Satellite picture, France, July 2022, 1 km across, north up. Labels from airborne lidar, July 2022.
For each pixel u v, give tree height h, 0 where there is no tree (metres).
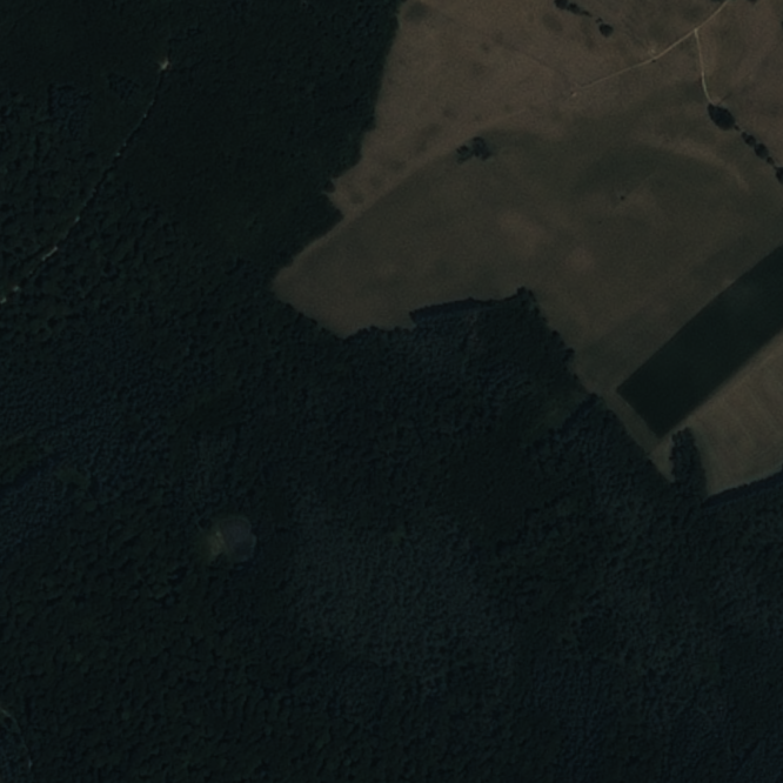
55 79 11
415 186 0
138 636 32
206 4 18
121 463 29
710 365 0
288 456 20
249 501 18
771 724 19
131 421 27
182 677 14
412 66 0
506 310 11
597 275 0
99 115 11
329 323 0
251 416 17
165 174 10
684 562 12
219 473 7
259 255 13
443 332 30
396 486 21
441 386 17
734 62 0
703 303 0
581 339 0
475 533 10
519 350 12
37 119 24
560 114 0
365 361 22
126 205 19
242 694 31
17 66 11
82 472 26
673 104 0
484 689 22
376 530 13
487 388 28
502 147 0
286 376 29
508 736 32
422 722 22
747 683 26
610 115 0
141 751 31
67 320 16
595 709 24
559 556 24
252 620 15
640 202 0
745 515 20
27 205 17
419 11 0
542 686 21
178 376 27
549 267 0
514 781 33
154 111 15
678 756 26
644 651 7
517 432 9
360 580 16
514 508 14
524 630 18
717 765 24
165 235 23
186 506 16
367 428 29
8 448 7
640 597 17
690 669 18
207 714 31
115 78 26
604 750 34
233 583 17
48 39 9
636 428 0
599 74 0
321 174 16
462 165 0
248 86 19
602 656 19
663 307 0
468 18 0
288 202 9
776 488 26
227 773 27
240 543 0
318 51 20
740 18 0
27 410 16
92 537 30
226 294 23
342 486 23
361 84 17
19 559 30
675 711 29
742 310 0
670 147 0
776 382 0
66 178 19
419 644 14
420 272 0
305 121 14
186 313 17
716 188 0
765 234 0
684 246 0
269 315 22
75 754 25
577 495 12
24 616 28
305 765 27
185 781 30
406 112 0
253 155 17
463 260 0
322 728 30
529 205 0
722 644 17
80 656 28
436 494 8
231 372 25
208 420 8
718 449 0
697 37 0
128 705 26
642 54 0
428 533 15
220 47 21
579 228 0
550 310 0
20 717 26
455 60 0
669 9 0
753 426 0
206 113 19
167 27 16
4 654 24
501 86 0
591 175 0
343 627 17
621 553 18
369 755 35
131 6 21
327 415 18
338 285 0
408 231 0
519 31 0
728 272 0
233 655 20
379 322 0
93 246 27
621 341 0
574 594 24
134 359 26
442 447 27
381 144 0
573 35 0
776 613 20
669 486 14
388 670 15
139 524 30
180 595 30
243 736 30
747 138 9
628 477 21
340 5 20
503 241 0
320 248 0
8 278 21
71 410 22
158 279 21
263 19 21
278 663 19
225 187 13
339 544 16
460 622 14
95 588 26
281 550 21
